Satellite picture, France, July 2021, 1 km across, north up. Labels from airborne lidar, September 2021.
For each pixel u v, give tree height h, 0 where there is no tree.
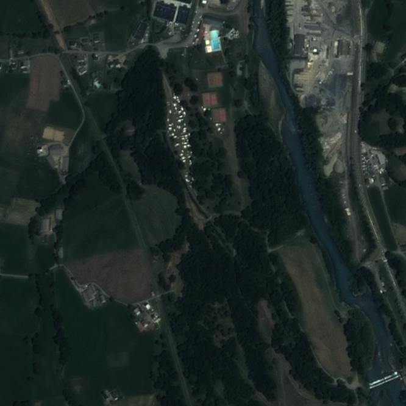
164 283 18
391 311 16
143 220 0
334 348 0
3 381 0
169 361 19
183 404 22
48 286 0
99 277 0
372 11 0
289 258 0
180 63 0
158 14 0
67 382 0
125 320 0
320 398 15
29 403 22
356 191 6
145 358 0
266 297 12
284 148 21
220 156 15
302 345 14
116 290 0
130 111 25
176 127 0
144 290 0
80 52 0
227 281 17
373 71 19
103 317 0
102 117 0
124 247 0
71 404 16
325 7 0
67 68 0
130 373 0
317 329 0
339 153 0
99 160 18
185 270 15
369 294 0
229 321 0
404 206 0
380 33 0
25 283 0
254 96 17
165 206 0
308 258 0
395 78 13
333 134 0
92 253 0
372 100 14
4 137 0
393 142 15
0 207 0
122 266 0
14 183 0
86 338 0
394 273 0
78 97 0
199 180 29
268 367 12
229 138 0
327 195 7
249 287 19
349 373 0
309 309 0
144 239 0
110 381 0
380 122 0
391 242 0
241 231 5
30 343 21
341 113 0
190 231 16
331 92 0
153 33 0
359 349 24
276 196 28
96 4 0
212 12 0
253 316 9
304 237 0
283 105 0
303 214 28
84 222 0
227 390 12
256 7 0
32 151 0
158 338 0
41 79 0
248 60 14
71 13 0
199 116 18
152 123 17
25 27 0
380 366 0
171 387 19
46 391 0
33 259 0
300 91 0
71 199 18
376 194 0
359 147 0
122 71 17
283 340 16
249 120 25
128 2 0
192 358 16
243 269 11
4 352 0
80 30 0
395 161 0
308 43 0
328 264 12
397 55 0
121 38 0
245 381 10
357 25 0
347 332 25
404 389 0
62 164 0
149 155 25
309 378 29
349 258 6
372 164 0
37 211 12
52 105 0
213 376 8
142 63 18
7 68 6
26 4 0
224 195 13
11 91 0
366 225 8
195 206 0
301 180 0
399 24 0
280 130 0
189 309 14
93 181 0
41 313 32
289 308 12
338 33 0
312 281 0
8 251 0
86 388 0
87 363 0
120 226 0
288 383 0
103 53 0
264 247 25
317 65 0
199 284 13
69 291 0
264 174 31
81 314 0
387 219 0
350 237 0
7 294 0
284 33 11
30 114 0
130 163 0
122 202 0
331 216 7
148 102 22
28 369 0
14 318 0
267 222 22
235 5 0
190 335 16
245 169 7
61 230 26
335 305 0
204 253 18
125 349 0
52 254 0
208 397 16
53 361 0
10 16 0
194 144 21
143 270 0
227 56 10
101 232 0
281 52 6
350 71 0
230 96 0
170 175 20
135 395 0
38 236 0
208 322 15
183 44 0
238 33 7
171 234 0
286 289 22
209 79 0
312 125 9
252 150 13
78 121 0
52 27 8
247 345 16
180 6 0
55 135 0
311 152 24
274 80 0
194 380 24
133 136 11
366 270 23
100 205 0
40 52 0
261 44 0
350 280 9
